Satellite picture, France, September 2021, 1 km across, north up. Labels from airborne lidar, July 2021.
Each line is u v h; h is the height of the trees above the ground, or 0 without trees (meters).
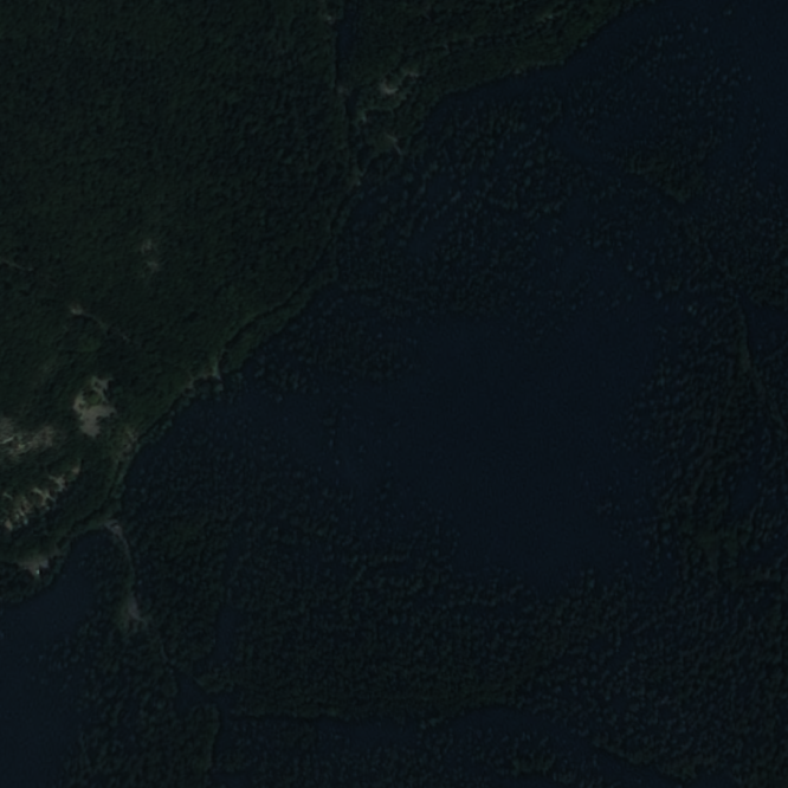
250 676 27
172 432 21
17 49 22
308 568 24
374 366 29
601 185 26
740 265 27
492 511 25
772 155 28
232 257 24
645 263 27
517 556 23
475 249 26
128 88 26
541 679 30
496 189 23
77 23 22
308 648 29
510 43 19
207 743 23
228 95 29
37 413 13
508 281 31
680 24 27
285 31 17
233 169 25
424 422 30
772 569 25
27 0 26
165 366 18
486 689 28
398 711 19
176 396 14
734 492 9
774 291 27
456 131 24
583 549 17
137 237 13
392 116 13
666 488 22
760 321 20
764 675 18
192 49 22
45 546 26
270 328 25
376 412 25
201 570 25
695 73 34
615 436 27
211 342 26
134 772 38
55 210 18
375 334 33
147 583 22
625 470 30
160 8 18
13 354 25
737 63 35
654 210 27
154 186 16
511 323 29
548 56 25
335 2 15
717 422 20
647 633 14
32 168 21
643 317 23
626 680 30
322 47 23
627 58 28
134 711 25
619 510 29
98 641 20
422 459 33
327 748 21
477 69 22
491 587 23
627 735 18
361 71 10
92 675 35
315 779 27
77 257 17
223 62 29
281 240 33
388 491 38
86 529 13
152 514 19
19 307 22
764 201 28
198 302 25
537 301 28
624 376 26
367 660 27
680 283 27
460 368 22
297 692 30
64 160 22
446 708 15
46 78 25
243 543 23
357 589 29
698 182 19
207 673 16
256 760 27
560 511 27
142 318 22
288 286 31
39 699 34
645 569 21
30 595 17
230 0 24
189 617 29
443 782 30
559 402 26
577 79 32
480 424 33
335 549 13
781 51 23
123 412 20
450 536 35
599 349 29
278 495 35
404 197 32
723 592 8
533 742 16
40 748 22
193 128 24
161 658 14
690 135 28
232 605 12
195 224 19
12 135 23
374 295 24
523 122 20
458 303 32
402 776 37
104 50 21
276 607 30
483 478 19
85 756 17
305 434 25
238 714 28
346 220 22
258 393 31
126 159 26
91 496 26
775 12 20
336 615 21
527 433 27
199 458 30
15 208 16
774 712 13
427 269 30
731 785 19
